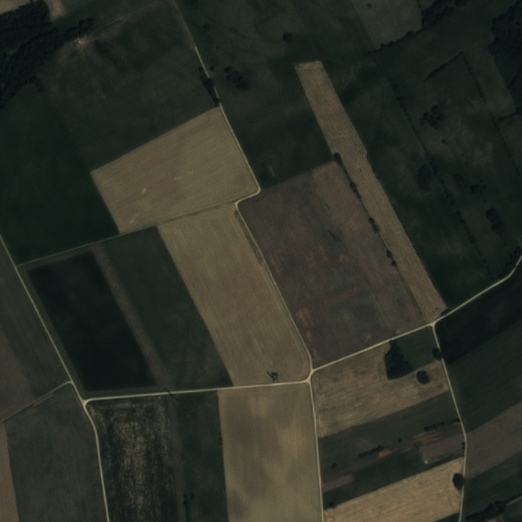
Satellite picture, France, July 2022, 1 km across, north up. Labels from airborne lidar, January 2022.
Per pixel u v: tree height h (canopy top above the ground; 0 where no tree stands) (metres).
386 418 0
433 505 0
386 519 0
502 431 0
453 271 0
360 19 0
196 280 0
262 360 0
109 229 0
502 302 0
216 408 0
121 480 0
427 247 0
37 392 0
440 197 0
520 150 0
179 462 0
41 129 0
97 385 0
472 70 7
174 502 0
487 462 0
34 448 0
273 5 0
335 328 0
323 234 0
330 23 0
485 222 0
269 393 0
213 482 0
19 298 0
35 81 14
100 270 0
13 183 0
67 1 0
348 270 0
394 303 0
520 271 0
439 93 0
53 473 0
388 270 0
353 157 0
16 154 0
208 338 0
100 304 0
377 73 0
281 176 0
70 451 0
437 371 0
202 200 0
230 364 0
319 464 0
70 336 0
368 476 0
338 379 0
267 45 0
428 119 13
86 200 0
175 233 0
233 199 0
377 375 0
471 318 0
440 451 0
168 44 0
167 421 0
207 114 0
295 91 0
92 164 0
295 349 0
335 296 0
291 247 0
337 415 0
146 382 0
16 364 0
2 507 0
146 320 0
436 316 0
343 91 0
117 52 0
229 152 0
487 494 0
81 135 0
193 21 0
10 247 0
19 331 0
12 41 24
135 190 0
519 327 0
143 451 0
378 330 0
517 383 0
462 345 0
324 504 0
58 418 0
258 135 0
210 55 0
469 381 0
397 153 0
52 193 0
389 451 0
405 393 0
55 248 0
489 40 0
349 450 0
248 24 0
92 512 0
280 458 0
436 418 0
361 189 0
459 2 13
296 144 0
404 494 0
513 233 0
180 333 0
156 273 0
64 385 0
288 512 0
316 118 0
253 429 0
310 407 0
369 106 0
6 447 0
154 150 0
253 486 0
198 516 0
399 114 0
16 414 0
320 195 0
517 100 7
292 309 0
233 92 0
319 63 0
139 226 0
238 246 0
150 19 0
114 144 0
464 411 0
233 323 0
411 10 0
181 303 0
